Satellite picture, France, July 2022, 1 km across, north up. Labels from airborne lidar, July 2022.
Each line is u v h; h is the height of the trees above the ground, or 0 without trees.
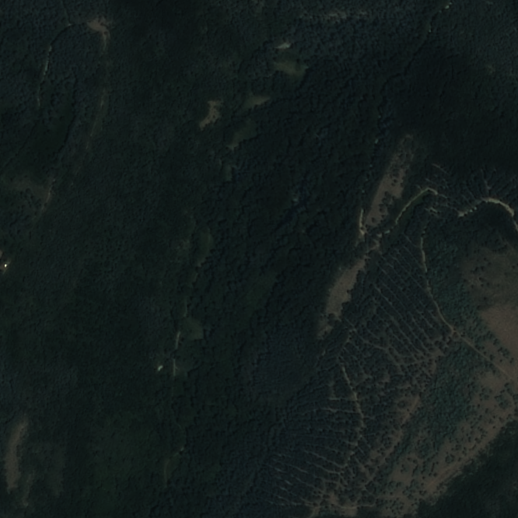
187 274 12
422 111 19
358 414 12
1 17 7
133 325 14
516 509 13
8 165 11
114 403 9
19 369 10
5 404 17
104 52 5
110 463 10
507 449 9
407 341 11
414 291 13
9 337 11
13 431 0
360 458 7
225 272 10
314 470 14
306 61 14
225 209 17
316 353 14
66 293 8
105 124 12
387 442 7
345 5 14
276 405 7
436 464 7
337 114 17
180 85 6
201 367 12
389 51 16
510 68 13
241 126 14
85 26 10
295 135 21
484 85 21
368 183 9
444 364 8
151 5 22
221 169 12
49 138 0
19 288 7
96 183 15
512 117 26
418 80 22
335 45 22
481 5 19
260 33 22
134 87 10
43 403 13
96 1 12
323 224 31
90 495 10
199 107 16
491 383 0
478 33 20
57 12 17
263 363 15
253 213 23
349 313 15
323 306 9
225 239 15
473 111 25
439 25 13
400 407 9
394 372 11
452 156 17
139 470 7
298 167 19
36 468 8
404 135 11
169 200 12
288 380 16
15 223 14
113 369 12
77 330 7
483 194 15
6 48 12
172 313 19
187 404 9
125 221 16
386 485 11
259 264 7
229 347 9
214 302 11
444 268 9
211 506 17
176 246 7
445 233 8
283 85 15
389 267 15
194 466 7
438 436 9
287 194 25
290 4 20
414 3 16
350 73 18
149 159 7
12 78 14
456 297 12
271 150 18
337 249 7
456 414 7
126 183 13
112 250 18
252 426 15
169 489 11
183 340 14
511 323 0
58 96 16
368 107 26
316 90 26
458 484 9
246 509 14
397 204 7
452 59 20
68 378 17
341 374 10
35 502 11
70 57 18
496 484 9
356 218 8
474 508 14
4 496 10
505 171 18
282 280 27
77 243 10
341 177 27
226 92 14
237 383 8
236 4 21
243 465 18
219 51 15
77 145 10
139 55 11
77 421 16
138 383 15
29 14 13
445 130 17
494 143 23
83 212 15
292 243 26
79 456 18
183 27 20
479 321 9
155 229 12
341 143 25
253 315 11
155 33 19
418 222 16
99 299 15
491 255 0
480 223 12
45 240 13
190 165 13
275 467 16
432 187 16
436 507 9
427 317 11
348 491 10
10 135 13
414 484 9
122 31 17
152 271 6
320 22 16
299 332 15
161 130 21
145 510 28
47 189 0
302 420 12
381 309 13
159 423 15
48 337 12
